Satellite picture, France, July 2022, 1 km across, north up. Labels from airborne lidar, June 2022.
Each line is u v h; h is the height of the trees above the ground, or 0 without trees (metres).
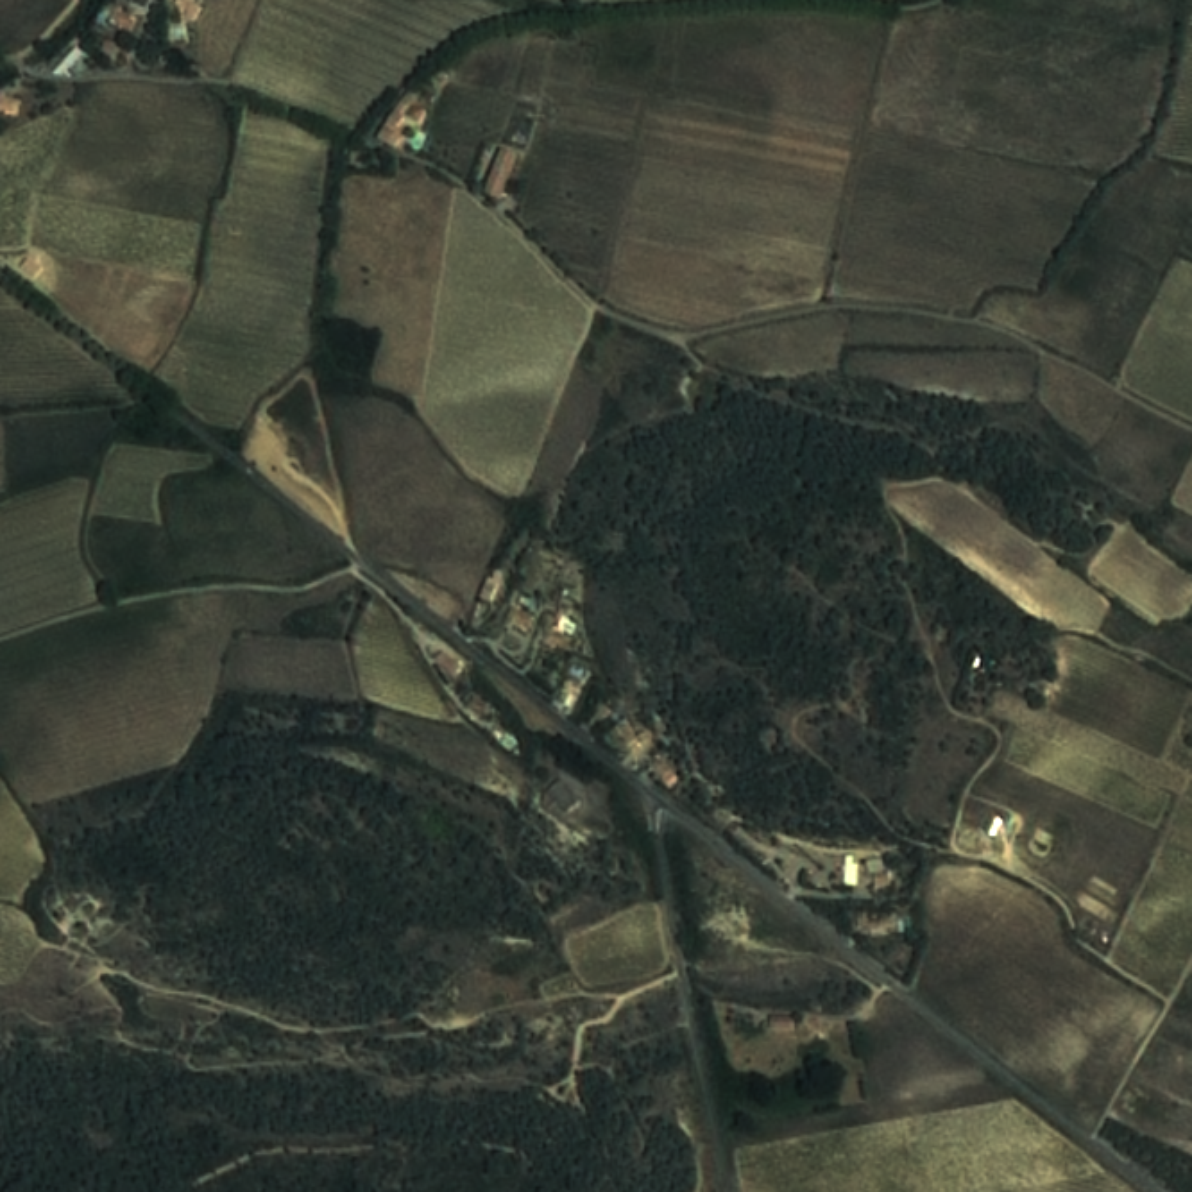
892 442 11
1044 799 0
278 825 8
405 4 0
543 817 10
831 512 15
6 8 0
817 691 7
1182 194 0
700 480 9
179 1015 0
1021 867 0
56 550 0
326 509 0
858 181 0
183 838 10
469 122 0
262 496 0
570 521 10
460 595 0
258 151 0
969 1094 0
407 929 7
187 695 0
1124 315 0
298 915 8
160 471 0
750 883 0
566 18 18
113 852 6
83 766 0
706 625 11
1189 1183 6
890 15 17
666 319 0
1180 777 0
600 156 0
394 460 0
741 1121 17
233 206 0
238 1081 9
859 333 0
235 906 5
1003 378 0
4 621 0
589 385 0
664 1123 9
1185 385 0
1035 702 12
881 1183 0
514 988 0
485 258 0
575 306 0
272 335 0
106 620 0
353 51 0
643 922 0
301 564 0
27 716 0
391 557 0
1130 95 0
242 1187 0
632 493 9
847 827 6
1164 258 0
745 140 0
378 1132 11
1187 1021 0
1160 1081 0
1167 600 0
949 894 0
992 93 0
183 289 0
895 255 0
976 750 7
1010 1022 0
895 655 10
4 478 0
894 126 0
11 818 0
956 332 0
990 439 16
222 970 9
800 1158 0
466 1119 10
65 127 0
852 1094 0
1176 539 0
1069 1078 0
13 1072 6
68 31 9
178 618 0
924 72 0
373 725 7
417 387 0
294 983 12
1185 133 0
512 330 0
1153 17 0
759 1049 0
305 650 0
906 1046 0
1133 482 0
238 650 0
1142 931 0
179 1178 13
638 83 0
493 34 18
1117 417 0
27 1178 13
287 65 0
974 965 0
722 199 0
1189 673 0
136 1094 7
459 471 0
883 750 8
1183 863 0
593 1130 11
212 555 0
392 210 0
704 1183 0
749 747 9
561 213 0
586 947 0
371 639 0
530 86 0
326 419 0
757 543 13
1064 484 8
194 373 0
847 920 8
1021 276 0
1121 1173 0
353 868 10
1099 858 0
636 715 6
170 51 9
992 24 0
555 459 0
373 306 0
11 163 0
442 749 0
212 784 12
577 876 7
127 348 0
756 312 0
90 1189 8
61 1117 14
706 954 0
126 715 0
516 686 0
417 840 6
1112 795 0
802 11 15
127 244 0
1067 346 0
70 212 0
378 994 11
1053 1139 0
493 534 0
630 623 0
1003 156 0
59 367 0
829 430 13
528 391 0
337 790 15
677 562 11
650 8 16
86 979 0
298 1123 12
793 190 0
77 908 0
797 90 0
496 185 0
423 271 0
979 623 11
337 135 19
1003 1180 0
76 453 0
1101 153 0
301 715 6
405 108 0
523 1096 8
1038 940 0
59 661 0
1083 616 0
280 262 0
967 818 0
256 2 0
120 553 0
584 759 17
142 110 0
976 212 0
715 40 0
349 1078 6
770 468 11
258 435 0
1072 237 9
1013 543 0
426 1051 8
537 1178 6
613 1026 0
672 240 0
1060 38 0
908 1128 0
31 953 0
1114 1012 0
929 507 0
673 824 0
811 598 8
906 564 10
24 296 13
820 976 0
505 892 8
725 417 10
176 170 0
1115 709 0
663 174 0
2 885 0
